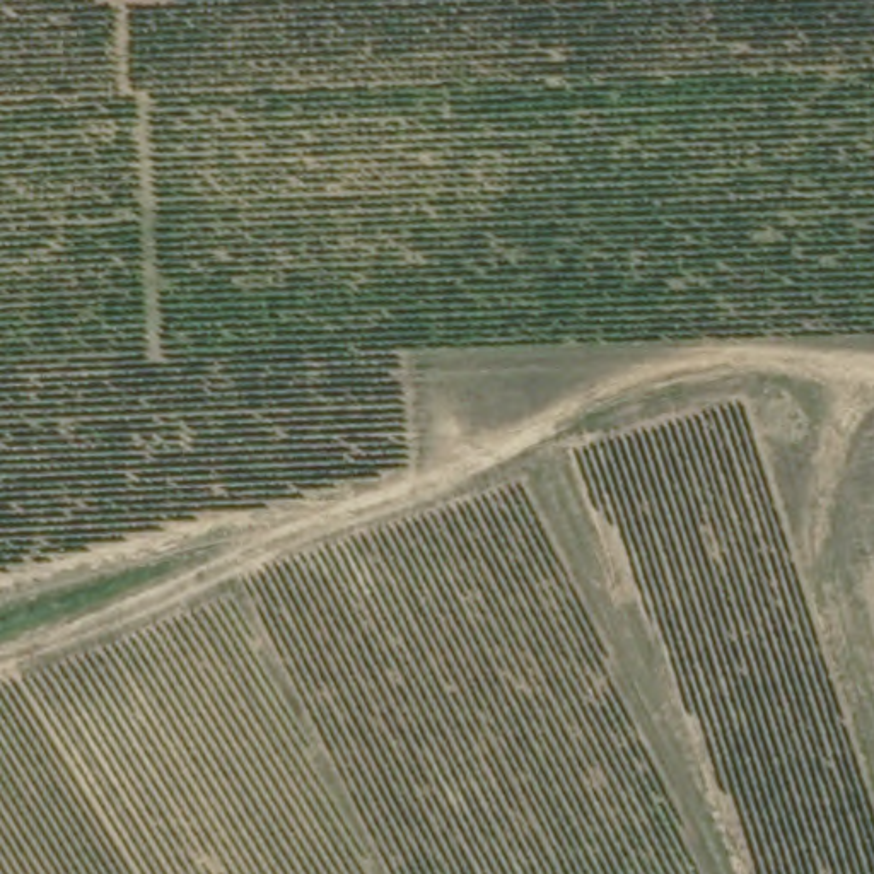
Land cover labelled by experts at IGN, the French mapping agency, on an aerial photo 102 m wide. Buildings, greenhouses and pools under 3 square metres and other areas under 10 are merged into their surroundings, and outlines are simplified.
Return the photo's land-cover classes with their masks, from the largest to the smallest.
<instances>
[{"label":"vineyard","instance_id":"1","mask_svg":"<svg viewBox=\"0 0 874 874\"><path fill-rule=\"evenodd\" d=\"M563 338H577L580 345H676L775 341L830 352H874V0H0V570L14 563H48L55 553H79L96 543H119L133 533H157L164 522H188L201 512H253L266 509L277 498H304L311 488H331L335 481L376 478L382 471H403V393L393 379L399 348H526L560 345ZM591 502L601 509L608 522L618 526V536L632 563V580L652 601V615L673 656L679 700L700 720L717 789L727 792L737 809V823L751 857V874H874V809L864 792L850 734L840 720V700L826 659L819 652V635L768 492L765 464L755 447L744 406H714L679 423L642 430L621 440H597L577 451ZM0 874H696V864L690 860V850L679 833L676 806L652 765V755L635 737L625 700L611 686V669L604 666V645L597 638V628L577 597V587L567 580L543 522L536 519L519 485L457 509H444L440 516H423L365 536H352L345 546H321L318 553H297L287 563H270L253 577L225 580L212 591L195 594L184 604L164 608L116 632L48 652L44 659L24 666L17 679L0 683Z\"/></svg>","mask_w":874,"mask_h":874},{"label":"herbaceous vegetation","instance_id":"2","mask_svg":"<svg viewBox=\"0 0 874 874\"><path fill-rule=\"evenodd\" d=\"M676 345H580L577 338H563L560 345L526 348H399L393 379L403 393V471L427 468L434 454V427L440 420L464 423L475 437L485 430L516 427L580 386H594L611 372H621L649 358H666ZM714 406H744L755 447L765 464L768 492L819 635V652L826 659L840 700V720L850 734L864 792L874 809V406L850 430L830 413V396L823 382L758 369L727 372L707 382H679L666 389L632 386L611 396L604 406L563 420L550 437H539L533 447L451 485L434 498L413 505L382 502L355 509L348 512L352 526H345L335 516L331 502L352 495L355 488H376V478L335 481L331 488H311L304 498H277L266 509L253 512H201L188 522H164L157 533H133L119 543H96L79 553H55L48 563H14L0 570V683L17 679L24 666L44 659L48 652L116 632L164 608L184 604L195 594L212 591L225 580L253 577L270 563H287L297 553H318L321 546H345L352 536H365L423 516H440L444 509H457L519 485L536 519L543 522L567 580L577 587V597L597 628V638L604 645V666L611 669V686L625 700L635 737L652 755V765L676 806L679 833L690 850V860L696 864V874H751V857L737 823V809L727 792L717 789L700 720L679 700L673 656L652 615V601L632 580V563L618 536V526L608 522L601 509L591 502L577 451L597 440H621L642 430L679 423Z\"/></svg>","mask_w":874,"mask_h":874},{"label":"pervious surface","instance_id":"3","mask_svg":"<svg viewBox=\"0 0 874 874\"><path fill-rule=\"evenodd\" d=\"M758 369L823 382L830 396V413L850 430L874 406V352H830L775 341L676 345L666 358H649L621 372H611L594 386H580L516 427L485 430L475 437L464 423L440 420L434 427V454L427 468L403 471H382L376 478V488H355L352 495L331 502L335 516L345 526H352L348 512L355 509L382 502L413 505L434 498L451 485L533 447L539 437H550L563 420L604 406L611 396L632 386L666 389L679 382H707L727 372Z\"/></svg>","mask_w":874,"mask_h":874}]
</instances>
